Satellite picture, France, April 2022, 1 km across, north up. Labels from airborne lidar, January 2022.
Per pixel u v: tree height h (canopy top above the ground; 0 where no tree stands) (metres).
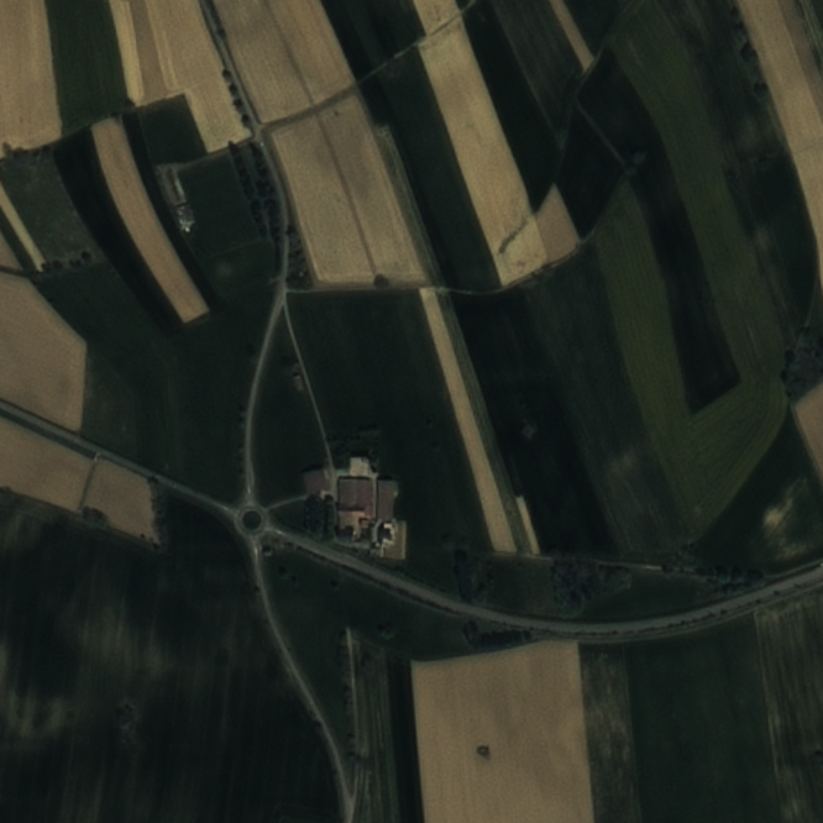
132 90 0
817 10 0
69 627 0
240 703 0
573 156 0
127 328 0
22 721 0
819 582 0
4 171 0
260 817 0
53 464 0
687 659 0
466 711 0
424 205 0
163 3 0
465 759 0
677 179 0
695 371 0
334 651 0
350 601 0
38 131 0
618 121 0
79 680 0
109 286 0
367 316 0
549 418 0
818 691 0
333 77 0
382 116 0
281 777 0
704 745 0
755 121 0
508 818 0
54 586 0
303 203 0
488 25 0
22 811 0
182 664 0
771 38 0
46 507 0
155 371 0
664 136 0
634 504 0
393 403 0
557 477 0
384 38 0
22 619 0
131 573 0
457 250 0
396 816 0
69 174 0
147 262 0
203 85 0
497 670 0
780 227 0
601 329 0
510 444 0
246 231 0
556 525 0
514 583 0
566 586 12
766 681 0
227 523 0
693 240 0
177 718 0
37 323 0
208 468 0
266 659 0
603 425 0
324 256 0
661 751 0
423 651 0
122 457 0
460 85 0
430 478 0
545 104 0
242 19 0
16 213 0
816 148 0
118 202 0
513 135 0
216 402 0
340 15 0
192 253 0
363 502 0
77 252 0
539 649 0
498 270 0
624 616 0
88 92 0
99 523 16
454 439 0
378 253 0
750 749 0
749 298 0
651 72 0
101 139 0
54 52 0
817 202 0
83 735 0
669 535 0
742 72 0
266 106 0
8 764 0
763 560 0
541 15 0
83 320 0
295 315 0
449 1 0
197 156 0
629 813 0
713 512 0
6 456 0
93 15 0
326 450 0
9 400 0
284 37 0
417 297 0
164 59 0
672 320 0
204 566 0
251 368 0
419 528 0
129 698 0
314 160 0
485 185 0
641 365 0
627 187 0
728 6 0
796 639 0
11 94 0
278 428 0
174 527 0
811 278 0
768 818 0
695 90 0
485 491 0
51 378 0
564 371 0
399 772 0
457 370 0
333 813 0
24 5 0
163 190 0
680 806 0
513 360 0
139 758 0
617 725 0
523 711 0
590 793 0
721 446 0
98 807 0
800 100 0
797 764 0
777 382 0
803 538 0
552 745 0
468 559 15
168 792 0
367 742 0
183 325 0
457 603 0
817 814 0
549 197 0
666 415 0
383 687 0
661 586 0
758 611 0
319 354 0
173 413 0
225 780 0
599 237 0
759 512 0
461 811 0
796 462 0
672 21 0
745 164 0
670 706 0
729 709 0
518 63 0
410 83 0
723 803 0
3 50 0
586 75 0
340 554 0
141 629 0
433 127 0
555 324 0
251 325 0
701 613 0
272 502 0
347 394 0
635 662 0
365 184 0
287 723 0
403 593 8
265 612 0
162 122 0
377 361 0
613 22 0
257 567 0
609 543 0
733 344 0
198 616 0
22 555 0
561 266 0
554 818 0
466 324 0
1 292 0
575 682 0
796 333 0
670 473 0
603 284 0
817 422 0
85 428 0
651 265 0
